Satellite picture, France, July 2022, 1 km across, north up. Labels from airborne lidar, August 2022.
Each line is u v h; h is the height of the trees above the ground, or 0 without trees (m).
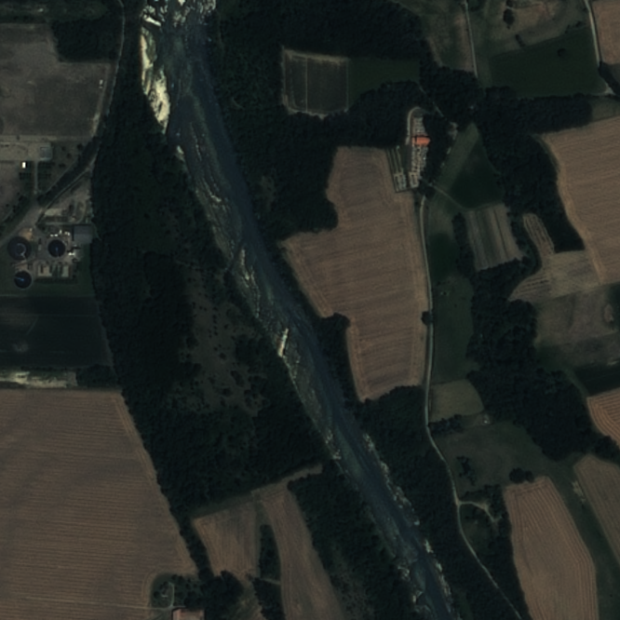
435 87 15
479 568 15
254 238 0
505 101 17
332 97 0
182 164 7
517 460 0
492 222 0
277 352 15
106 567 0
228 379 0
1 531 0
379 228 0
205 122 0
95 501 0
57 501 0
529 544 0
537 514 0
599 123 0
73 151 0
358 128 22
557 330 0
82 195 0
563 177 0
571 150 0
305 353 0
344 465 0
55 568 0
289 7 17
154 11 0
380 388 0
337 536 16
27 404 0
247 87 14
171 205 13
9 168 0
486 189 0
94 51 8
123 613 0
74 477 0
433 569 0
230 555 0
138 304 13
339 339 22
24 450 0
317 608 0
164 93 0
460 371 0
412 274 0
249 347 11
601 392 0
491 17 0
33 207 0
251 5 9
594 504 0
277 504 0
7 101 0
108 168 20
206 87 0
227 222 0
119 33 6
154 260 16
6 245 0
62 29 17
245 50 13
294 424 12
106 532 0
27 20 6
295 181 21
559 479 0
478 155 0
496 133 23
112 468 0
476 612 14
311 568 0
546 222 9
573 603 0
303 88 0
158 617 0
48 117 0
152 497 0
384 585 12
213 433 7
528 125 15
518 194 20
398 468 15
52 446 0
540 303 0
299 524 0
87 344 0
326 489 11
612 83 14
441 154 22
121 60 6
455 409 0
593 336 0
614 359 0
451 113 10
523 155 12
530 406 26
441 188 0
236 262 0
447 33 0
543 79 0
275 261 11
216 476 6
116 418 0
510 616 14
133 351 18
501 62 0
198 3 0
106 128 8
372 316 0
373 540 11
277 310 0
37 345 0
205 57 0
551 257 0
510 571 14
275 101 10
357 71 0
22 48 0
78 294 0
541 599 0
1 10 0
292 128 13
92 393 0
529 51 0
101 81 0
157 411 15
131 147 17
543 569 0
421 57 15
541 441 16
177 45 0
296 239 0
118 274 13
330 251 0
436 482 10
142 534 0
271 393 13
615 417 0
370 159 0
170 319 15
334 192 0
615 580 0
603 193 0
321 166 23
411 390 8
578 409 38
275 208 17
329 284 0
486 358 11
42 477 0
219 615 14
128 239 16
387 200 0
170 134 0
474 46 0
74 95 0
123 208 17
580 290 0
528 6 0
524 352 18
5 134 0
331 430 0
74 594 0
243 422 7
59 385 0
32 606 0
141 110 13
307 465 23
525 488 0
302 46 14
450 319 0
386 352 0
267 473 13
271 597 10
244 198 0
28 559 0
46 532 0
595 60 0
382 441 12
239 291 24
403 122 16
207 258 9
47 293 0
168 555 0
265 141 17
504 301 21
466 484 0
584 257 0
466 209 0
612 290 0
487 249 0
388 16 12
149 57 0
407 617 5
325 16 7
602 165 0
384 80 0
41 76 0
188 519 8
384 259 0
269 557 7
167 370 15
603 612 0
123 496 0
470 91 30
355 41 20
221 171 0
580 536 0
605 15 0
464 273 5
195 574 0
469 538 0
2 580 0
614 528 0
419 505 14
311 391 0
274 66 16
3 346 0
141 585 0
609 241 0
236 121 10
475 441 0
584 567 0
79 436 0
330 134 21
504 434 0
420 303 0
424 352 0
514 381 22
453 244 0
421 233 0
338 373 8
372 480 0
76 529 0
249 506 0
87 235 0
